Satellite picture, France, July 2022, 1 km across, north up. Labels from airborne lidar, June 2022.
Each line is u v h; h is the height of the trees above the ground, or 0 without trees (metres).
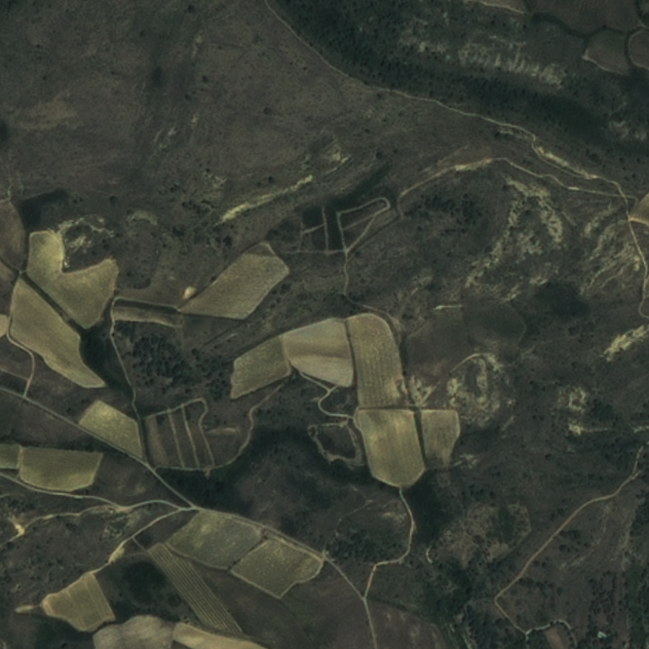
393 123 0
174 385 11
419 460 0
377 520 0
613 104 7
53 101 0
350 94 0
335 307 0
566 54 0
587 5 0
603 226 0
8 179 0
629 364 0
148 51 0
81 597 0
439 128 0
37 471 0
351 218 0
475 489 12
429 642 0
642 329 0
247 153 0
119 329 7
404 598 0
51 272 0
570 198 0
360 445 0
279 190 0
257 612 0
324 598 0
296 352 0
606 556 0
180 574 0
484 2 0
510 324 0
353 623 0
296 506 0
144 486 0
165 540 0
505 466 0
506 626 8
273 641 0
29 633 0
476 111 0
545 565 10
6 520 0
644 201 0
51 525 0
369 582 0
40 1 0
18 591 0
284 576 0
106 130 0
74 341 0
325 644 0
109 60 0
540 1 0
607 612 7
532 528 0
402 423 0
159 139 0
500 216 0
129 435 0
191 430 0
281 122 0
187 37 0
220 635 0
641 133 0
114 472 0
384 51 7
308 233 0
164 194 0
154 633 0
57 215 0
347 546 8
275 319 0
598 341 0
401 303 0
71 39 0
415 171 0
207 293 0
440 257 0
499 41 0
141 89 0
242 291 0
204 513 0
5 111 0
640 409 0
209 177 0
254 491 0
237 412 0
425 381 0
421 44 0
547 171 0
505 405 0
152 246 0
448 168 0
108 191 0
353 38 11
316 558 0
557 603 0
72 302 0
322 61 0
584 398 0
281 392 8
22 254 0
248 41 0
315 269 0
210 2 0
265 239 0
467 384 0
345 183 0
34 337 0
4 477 0
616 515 0
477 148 0
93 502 0
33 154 0
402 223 0
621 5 0
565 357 0
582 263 0
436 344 0
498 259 0
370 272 0
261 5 0
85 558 0
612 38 0
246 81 0
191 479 5
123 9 0
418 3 0
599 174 0
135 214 0
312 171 0
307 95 0
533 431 0
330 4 9
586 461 0
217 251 0
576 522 0
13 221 0
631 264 0
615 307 0
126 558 0
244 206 0
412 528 0
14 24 0
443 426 0
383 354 0
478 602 0
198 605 0
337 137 0
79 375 0
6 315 0
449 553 0
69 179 0
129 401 0
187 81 0
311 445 7
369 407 0
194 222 0
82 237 0
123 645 0
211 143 0
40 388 0
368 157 0
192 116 0
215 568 0
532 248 0
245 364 0
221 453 0
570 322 0
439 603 11
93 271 0
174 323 0
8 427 0
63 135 0
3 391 0
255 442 12
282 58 0
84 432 0
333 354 0
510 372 0
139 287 0
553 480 0
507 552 0
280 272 0
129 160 0
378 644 0
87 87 0
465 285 0
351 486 0
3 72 0
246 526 0
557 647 0
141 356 12
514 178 0
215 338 0
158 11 0
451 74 6
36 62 0
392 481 0
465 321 0
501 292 0
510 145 0
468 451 0
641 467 6
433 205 10
